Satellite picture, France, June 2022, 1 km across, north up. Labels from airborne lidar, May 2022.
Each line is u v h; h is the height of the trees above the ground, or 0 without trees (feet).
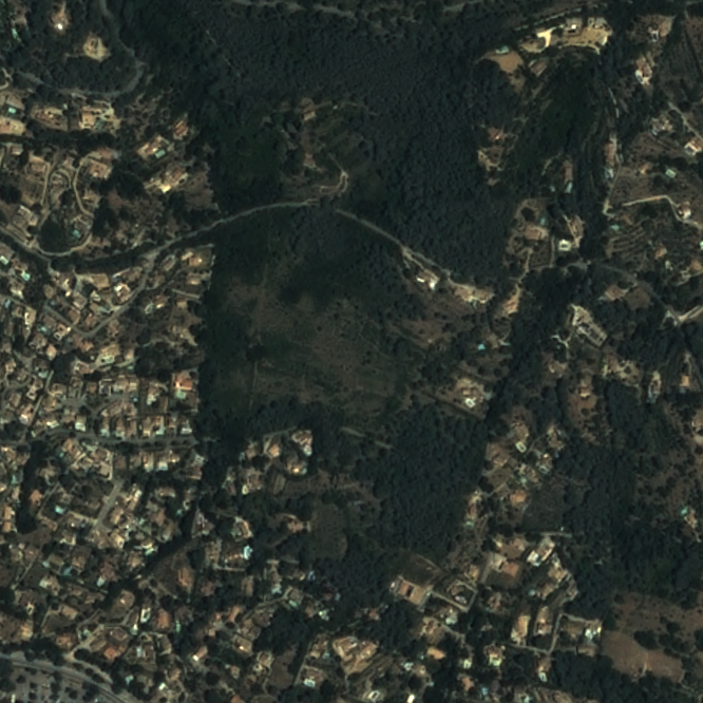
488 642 35
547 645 58
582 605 63
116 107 52
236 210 40
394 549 55
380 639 75
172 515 58
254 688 32
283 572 62
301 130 70
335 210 50
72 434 27
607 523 65
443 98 54
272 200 27
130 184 58
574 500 68
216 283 31
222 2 55
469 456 60
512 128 56
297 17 43
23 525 48
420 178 64
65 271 62
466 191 31
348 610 28
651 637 31
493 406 44
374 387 0
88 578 41
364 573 70
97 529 0
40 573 0
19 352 37
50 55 58
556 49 35
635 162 25
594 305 34
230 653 17
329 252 46
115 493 0
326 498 47
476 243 46
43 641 33
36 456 36
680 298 22
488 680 34
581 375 24
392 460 67
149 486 33
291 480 20
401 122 54
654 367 52
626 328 34
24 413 0
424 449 70
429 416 53
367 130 78
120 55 56
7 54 25
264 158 19
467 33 47
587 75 24
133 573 21
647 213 37
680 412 21
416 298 45
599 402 23
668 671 0
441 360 39
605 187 19
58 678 49
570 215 61
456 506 73
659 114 31
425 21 39
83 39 56
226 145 49
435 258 43
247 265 37
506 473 0
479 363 35
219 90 83
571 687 74
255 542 59
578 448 55
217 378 58
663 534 43
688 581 59
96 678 42
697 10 45
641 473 41
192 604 20
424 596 0
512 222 46
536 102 21
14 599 44
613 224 35
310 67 58
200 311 64
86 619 32
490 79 42
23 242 0
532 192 50
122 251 22
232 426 54
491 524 40
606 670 38
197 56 76
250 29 53
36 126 75
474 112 46
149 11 69
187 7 56
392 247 28
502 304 48
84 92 49
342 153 20
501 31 60
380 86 52
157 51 69
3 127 0
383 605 72
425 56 56
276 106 55
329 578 63
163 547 40
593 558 46
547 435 21
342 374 0
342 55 56
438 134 56
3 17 26
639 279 22
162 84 43
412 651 58
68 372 62
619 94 57
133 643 35
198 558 76
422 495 68
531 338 56
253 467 24
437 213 64
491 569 0
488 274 49
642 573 56
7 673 69
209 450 52
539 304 56
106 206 28
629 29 32
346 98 72
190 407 26
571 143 38
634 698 62
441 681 44
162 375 39
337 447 60
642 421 79
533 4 43
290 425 51
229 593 68
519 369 69
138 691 28
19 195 53
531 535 45
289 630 72
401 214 62
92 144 52
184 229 36
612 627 47
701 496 25
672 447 18
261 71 65
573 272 46
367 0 63
